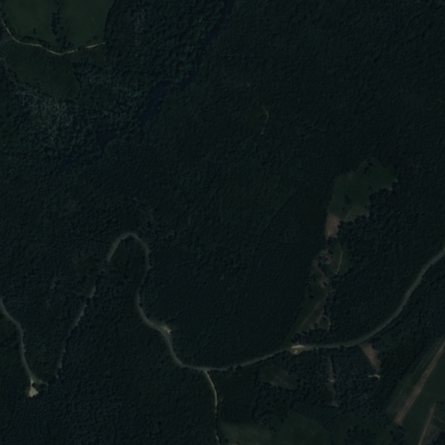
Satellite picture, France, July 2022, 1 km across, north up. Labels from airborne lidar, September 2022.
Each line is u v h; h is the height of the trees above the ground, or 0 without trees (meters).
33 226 14
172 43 11
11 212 16
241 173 9
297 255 13
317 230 14
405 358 9
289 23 14
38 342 8
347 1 8
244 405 8
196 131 14
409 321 14
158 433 13
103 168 11
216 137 14
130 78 21
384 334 15
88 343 18
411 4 10
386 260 14
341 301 9
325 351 16
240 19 8
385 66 10
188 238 14
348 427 0
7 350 16
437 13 18
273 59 14
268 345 14
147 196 16
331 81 15
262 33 13
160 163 15
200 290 16
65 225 15
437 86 9
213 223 14
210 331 10
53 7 0
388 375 10
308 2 14
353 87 12
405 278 14
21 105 7
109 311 21
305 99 18
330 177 14
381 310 14
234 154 16
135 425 13
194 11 18
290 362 21
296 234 15
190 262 10
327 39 11
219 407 11
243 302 15
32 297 19
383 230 16
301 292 14
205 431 14
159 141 12
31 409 23
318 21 22
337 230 0
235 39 9
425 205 14
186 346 11
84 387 25
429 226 14
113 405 30
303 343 17
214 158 16
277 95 13
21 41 12
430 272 13
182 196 20
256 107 11
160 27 11
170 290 13
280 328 13
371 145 20
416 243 13
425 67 15
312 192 13
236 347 11
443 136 12
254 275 14
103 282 27
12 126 16
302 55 12
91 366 20
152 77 9
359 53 16
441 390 0
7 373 12
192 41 24
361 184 0
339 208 0
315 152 10
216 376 17
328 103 13
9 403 18
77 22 0
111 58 20
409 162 15
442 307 20
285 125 9
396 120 10
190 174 12
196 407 13
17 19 0
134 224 12
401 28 15
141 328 6
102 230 11
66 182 11
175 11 10
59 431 18
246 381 8
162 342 9
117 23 17
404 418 0
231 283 14
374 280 11
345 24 14
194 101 11
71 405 31
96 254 18
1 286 19
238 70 10
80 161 18
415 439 0
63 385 26
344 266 0
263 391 19
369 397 7
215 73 14
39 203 13
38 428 23
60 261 15
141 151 11
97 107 6
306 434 0
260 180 9
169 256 16
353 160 13
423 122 12
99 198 12
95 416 27
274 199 8
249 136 17
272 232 15
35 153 17
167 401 17
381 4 13
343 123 12
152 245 16
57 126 12
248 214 15
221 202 12
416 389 0
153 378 14
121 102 7
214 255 11
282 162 12
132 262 11
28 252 19
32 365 10
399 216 18
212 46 9
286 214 13
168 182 12
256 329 13
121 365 21
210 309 11
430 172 13
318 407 19
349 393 27
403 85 13
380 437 0
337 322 12
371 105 13
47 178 12
